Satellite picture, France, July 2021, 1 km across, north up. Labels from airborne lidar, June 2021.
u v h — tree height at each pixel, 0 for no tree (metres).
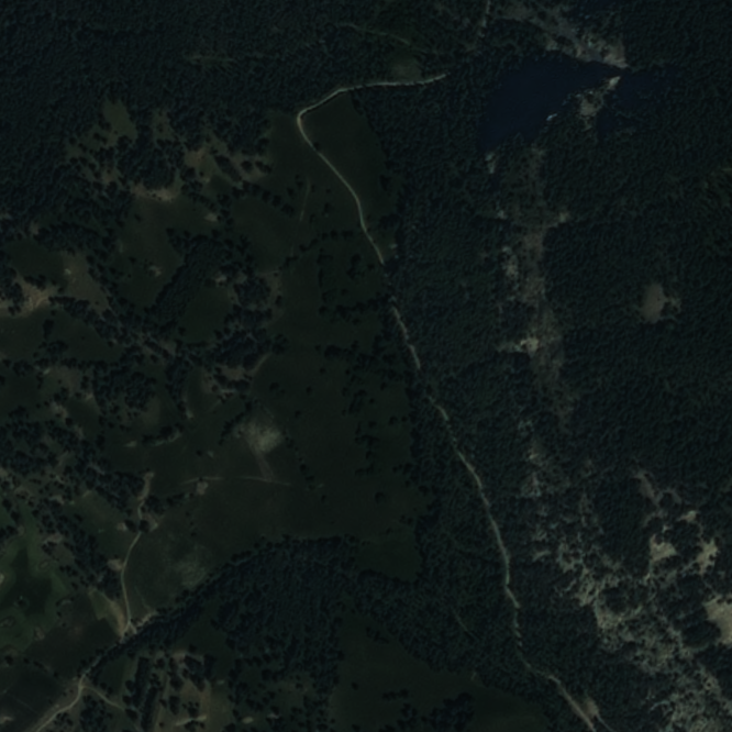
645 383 11
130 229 0
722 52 25
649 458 16
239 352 20
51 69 22
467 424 20
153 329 12
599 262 21
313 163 0
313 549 23
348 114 0
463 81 22
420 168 26
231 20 20
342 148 0
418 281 20
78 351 0
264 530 0
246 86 23
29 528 0
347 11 28
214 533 0
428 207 30
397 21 7
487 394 19
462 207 26
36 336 0
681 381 11
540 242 0
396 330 29
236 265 13
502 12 7
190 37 16
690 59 23
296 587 21
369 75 10
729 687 10
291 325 0
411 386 15
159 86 25
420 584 12
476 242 24
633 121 9
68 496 7
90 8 24
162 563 0
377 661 0
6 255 28
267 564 19
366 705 0
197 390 0
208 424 0
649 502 15
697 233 17
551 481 10
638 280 7
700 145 14
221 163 21
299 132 0
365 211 0
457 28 27
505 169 13
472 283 19
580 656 9
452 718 20
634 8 15
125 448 0
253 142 22
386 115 26
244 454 0
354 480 0
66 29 23
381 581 29
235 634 25
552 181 10
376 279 0
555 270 13
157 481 0
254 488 0
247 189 19
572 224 8
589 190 12
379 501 9
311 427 0
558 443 9
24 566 0
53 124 27
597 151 11
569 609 10
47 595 0
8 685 0
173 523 0
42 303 0
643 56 19
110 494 17
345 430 0
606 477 8
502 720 0
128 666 0
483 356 22
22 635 0
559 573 11
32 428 16
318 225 8
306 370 0
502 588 25
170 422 0
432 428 31
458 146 16
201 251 19
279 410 0
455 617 27
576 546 7
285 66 23
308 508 0
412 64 0
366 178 0
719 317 19
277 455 0
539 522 7
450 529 7
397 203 0
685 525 12
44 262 0
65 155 8
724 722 8
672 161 17
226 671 0
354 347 9
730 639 0
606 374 10
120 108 0
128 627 0
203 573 0
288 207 23
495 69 21
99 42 22
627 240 17
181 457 0
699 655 7
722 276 20
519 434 12
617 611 8
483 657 30
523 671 27
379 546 0
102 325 23
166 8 23
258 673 0
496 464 19
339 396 0
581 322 15
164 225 0
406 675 0
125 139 11
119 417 8
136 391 12
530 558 8
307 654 12
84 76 22
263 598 25
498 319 12
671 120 23
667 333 20
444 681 0
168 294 17
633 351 10
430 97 17
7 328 0
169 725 0
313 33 17
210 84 16
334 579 21
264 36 22
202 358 9
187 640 0
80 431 0
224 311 0
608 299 12
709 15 20
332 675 8
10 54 11
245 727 0
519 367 14
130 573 0
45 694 0
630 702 17
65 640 0
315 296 0
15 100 28
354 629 0
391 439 0
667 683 10
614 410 17
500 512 19
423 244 21
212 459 0
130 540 0
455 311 25
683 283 12
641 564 9
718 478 17
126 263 0
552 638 26
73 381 0
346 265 0
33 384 0
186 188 8
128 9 25
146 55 28
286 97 19
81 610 0
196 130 22
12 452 21
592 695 7
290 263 12
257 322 24
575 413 7
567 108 9
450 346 14
